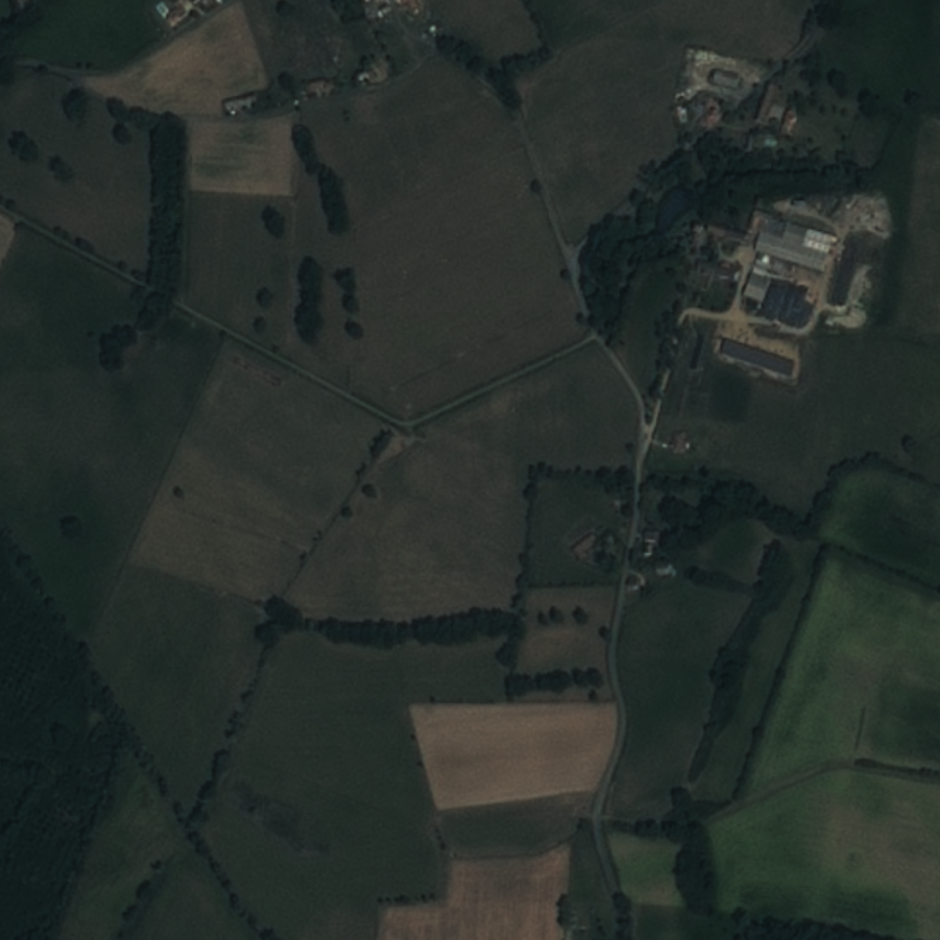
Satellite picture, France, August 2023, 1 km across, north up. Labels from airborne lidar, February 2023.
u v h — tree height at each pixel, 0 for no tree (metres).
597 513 0
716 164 15
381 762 0
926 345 0
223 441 0
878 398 0
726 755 0
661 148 0
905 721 0
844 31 0
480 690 0
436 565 0
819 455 0
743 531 0
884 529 0
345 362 0
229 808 0
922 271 0
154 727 0
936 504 0
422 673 0
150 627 0
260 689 0
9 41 25
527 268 0
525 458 0
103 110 0
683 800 18
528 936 0
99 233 0
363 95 0
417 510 0
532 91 0
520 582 8
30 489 0
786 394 0
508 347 0
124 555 0
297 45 0
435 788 0
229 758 8
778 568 20
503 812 0
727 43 0
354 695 0
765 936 22
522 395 0
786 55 0
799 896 0
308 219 0
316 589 0
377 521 0
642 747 0
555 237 0
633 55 0
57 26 0
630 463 0
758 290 0
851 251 0
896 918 0
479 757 0
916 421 0
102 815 7
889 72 0
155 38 0
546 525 0
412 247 0
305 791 0
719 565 0
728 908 0
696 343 0
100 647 0
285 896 0
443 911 0
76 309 0
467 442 0
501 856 0
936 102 0
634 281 13
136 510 0
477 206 0
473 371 0
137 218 0
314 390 0
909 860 0
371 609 0
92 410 0
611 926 0
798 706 0
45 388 0
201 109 0
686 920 0
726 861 0
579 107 0
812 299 0
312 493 0
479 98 0
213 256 0
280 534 0
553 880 0
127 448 0
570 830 0
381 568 0
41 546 0
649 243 16
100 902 0
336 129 0
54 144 0
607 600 0
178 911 0
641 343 0
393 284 0
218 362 0
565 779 0
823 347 0
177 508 0
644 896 0
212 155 0
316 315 21
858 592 0
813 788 0
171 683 0
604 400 0
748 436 0
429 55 0
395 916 0
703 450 0
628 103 0
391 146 0
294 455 0
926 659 0
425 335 0
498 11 0
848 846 0
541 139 0
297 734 0
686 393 0
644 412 0
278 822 0
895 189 0
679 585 0
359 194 0
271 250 0
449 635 22
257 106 7
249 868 0
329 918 0
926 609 0
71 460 0
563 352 0
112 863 0
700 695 0
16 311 0
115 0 0
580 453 0
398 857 0
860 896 0
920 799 0
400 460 0
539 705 0
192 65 0
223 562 0
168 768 0
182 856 0
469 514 0
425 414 0
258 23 0
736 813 0
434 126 0
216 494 0
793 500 0
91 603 0
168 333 0
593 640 0
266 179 0
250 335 0
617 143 0
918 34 0
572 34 0
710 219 15
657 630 0
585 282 14
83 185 0
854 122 0
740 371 0
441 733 0
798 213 0
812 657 0
